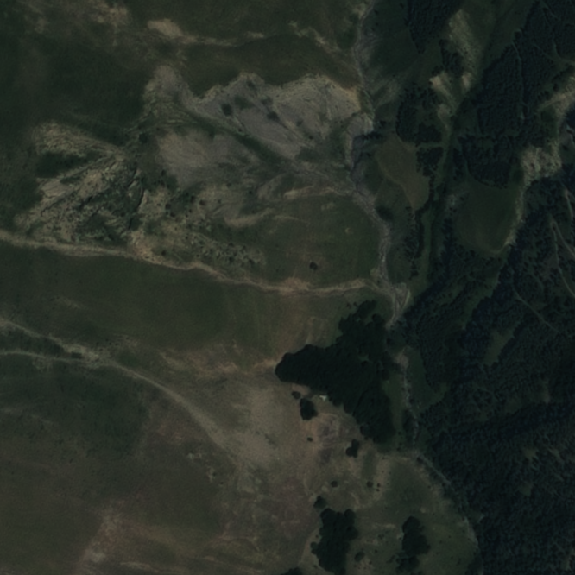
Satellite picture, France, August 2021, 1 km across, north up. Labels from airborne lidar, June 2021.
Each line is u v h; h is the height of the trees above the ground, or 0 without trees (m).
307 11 0
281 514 0
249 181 0
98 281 0
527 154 0
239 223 0
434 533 0
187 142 0
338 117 0
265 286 0
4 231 0
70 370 0
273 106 0
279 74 0
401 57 0
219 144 0
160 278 0
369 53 0
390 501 0
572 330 22
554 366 27
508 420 14
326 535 15
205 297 0
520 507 20
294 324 0
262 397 0
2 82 0
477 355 21
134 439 0
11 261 0
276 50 0
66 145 0
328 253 0
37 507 0
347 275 0
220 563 0
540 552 13
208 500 0
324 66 0
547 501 22
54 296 0
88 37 0
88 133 0
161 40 0
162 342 0
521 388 23
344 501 0
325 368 33
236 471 0
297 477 0
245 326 0
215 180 0
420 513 0
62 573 0
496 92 11
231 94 0
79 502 0
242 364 0
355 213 0
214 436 0
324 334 0
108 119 0
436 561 0
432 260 7
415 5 17
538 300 22
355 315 9
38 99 0
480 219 0
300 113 0
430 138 8
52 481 0
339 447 0
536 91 15
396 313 0
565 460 25
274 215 0
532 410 11
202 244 0
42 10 0
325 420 0
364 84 0
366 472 0
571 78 0
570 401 24
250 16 0
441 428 15
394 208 0
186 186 0
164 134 0
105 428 0
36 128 0
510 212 0
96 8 0
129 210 0
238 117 0
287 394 0
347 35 0
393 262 0
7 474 0
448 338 10
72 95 0
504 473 17
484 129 16
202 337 0
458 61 19
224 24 0
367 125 0
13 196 0
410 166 0
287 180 0
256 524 0
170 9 0
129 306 0
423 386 0
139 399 0
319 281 0
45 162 0
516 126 16
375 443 9
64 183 0
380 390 21
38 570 0
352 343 15
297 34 0
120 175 0
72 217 0
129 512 0
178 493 0
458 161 10
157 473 0
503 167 9
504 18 0
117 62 0
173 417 0
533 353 24
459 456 24
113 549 0
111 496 0
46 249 0
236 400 0
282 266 0
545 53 10
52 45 0
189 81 0
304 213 0
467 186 0
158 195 0
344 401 14
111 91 0
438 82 0
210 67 0
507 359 25
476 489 18
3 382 0
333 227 0
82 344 0
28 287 0
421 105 9
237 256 0
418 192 0
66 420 0
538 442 24
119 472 0
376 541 0
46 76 0
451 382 9
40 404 0
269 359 0
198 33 0
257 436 0
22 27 0
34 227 0
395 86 0
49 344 0
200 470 0
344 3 0
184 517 0
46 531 0
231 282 0
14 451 0
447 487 14
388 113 0
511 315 13
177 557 0
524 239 10
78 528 0
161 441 0
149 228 0
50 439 0
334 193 0
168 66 0
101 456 0
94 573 0
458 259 24
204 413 0
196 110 0
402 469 0
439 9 17
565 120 0
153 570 0
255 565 0
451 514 0
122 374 0
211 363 0
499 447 24
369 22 0
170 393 0
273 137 0
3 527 0
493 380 24
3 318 0
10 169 0
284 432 0
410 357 0
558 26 16
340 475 0
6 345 0
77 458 0
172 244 0
